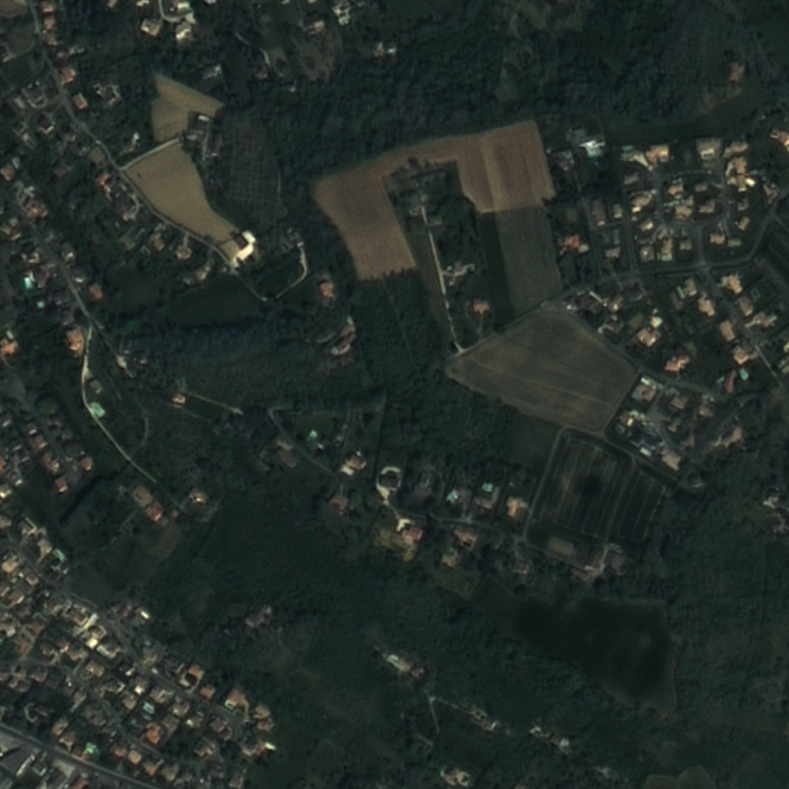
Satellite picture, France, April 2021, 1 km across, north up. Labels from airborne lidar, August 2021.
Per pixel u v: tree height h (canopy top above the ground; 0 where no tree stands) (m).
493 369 0
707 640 19
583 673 7
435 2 0
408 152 0
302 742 0
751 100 0
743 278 0
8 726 10
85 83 12
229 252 0
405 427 17
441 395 12
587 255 6
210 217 0
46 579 0
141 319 16
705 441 19
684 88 19
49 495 15
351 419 17
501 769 7
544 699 10
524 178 0
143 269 12
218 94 13
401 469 0
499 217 0
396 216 0
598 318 9
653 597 11
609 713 6
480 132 7
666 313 0
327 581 6
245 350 13
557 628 0
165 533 0
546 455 0
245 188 7
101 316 13
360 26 5
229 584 8
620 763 9
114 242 0
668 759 0
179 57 15
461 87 10
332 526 0
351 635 7
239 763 10
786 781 9
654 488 0
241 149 10
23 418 10
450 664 9
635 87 15
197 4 13
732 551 11
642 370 0
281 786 0
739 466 17
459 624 21
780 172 12
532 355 0
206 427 8
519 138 0
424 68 11
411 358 8
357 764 13
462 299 7
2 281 7
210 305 0
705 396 0
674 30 9
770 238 0
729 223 0
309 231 6
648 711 9
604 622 0
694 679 22
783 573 8
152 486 12
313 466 0
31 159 7
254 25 15
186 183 0
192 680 12
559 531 0
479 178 0
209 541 13
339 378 9
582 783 11
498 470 5
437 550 14
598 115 9
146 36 12
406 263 0
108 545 13
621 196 8
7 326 18
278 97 8
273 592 7
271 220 10
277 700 6
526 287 0
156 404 10
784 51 0
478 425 10
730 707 8
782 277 0
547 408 0
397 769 11
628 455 0
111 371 11
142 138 5
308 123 7
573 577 11
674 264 0
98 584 0
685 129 0
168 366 12
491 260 0
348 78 6
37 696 7
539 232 0
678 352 9
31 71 0
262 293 9
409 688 17
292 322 19
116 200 15
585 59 23
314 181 7
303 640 20
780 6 8
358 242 0
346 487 12
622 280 0
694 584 16
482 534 9
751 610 13
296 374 8
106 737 10
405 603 16
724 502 17
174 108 0
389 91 10
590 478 0
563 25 26
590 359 0
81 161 7
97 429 7
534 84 6
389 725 7
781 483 14
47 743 11
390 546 0
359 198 0
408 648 15
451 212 13
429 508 14
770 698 16
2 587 0
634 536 0
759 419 11
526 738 7
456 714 11
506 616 0
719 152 0
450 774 0
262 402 8
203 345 21
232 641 16
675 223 0
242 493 7
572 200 8
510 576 6
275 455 14
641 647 0
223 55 14
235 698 0
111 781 0
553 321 0
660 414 0
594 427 0
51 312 11
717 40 0
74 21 8
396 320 5
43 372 14
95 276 10
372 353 8
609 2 22
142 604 16
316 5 0
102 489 8
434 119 20
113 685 0
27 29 0
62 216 10
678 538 13
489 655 13
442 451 15
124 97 9
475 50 7
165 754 9
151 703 9
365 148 17
